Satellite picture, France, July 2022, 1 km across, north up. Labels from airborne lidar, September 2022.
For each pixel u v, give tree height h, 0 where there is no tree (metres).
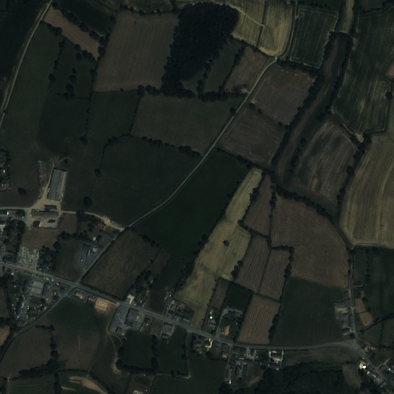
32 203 0
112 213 0
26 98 0
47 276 0
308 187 0
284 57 0
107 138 0
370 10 6
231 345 0
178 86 15
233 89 0
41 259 7
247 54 0
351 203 0
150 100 0
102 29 0
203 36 22
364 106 0
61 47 19
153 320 6
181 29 14
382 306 0
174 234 0
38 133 0
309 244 0
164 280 0
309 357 0
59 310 0
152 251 0
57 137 0
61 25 0
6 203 0
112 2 0
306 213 0
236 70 0
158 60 0
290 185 0
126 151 0
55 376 10
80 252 0
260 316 0
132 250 0
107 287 0
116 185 0
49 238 0
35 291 0
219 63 0
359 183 0
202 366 0
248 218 0
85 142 19
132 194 0
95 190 0
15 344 0
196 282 0
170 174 0
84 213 16
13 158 0
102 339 0
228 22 22
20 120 0
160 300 0
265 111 0
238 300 0
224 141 0
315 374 7
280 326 0
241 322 6
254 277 0
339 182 0
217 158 0
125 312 0
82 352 0
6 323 11
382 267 0
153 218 0
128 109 0
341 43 0
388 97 17
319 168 0
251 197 14
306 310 0
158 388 0
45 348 0
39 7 0
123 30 0
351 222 0
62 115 0
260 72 0
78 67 0
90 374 5
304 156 0
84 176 0
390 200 0
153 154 0
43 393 0
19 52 0
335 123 0
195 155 16
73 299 0
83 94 0
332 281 0
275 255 0
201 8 26
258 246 0
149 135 0
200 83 17
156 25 0
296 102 0
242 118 0
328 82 0
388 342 0
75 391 0
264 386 22
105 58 0
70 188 0
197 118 0
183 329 0
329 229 0
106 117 0
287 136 11
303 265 0
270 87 0
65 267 0
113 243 6
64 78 0
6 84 0
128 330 0
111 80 0
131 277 0
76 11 0
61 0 0
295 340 0
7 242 12
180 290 0
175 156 0
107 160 0
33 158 0
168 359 0
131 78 0
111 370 0
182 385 0
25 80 0
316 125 0
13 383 0
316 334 0
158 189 0
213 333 11
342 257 0
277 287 0
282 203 0
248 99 0
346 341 0
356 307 0
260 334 0
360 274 0
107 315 0
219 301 0
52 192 0
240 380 9
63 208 0
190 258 0
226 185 0
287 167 0
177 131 0
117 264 0
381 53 0
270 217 8
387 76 0
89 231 7
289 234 0
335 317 0
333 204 0
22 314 0
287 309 0
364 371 13
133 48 0
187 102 0
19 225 13
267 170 10
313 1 0
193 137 0
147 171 0
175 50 23
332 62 0
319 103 0
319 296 0
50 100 0
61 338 0
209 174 0
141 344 0
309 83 0
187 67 20
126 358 0
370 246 0
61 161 0
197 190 0
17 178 0
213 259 0
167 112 0
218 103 0
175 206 0
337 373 8
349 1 0
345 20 0
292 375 25
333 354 0
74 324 0
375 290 0
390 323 0
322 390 0
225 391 15
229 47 0
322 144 0
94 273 0
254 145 0
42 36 0
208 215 0
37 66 0
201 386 0
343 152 0
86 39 0
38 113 0
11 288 0
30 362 0
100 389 0
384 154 0
